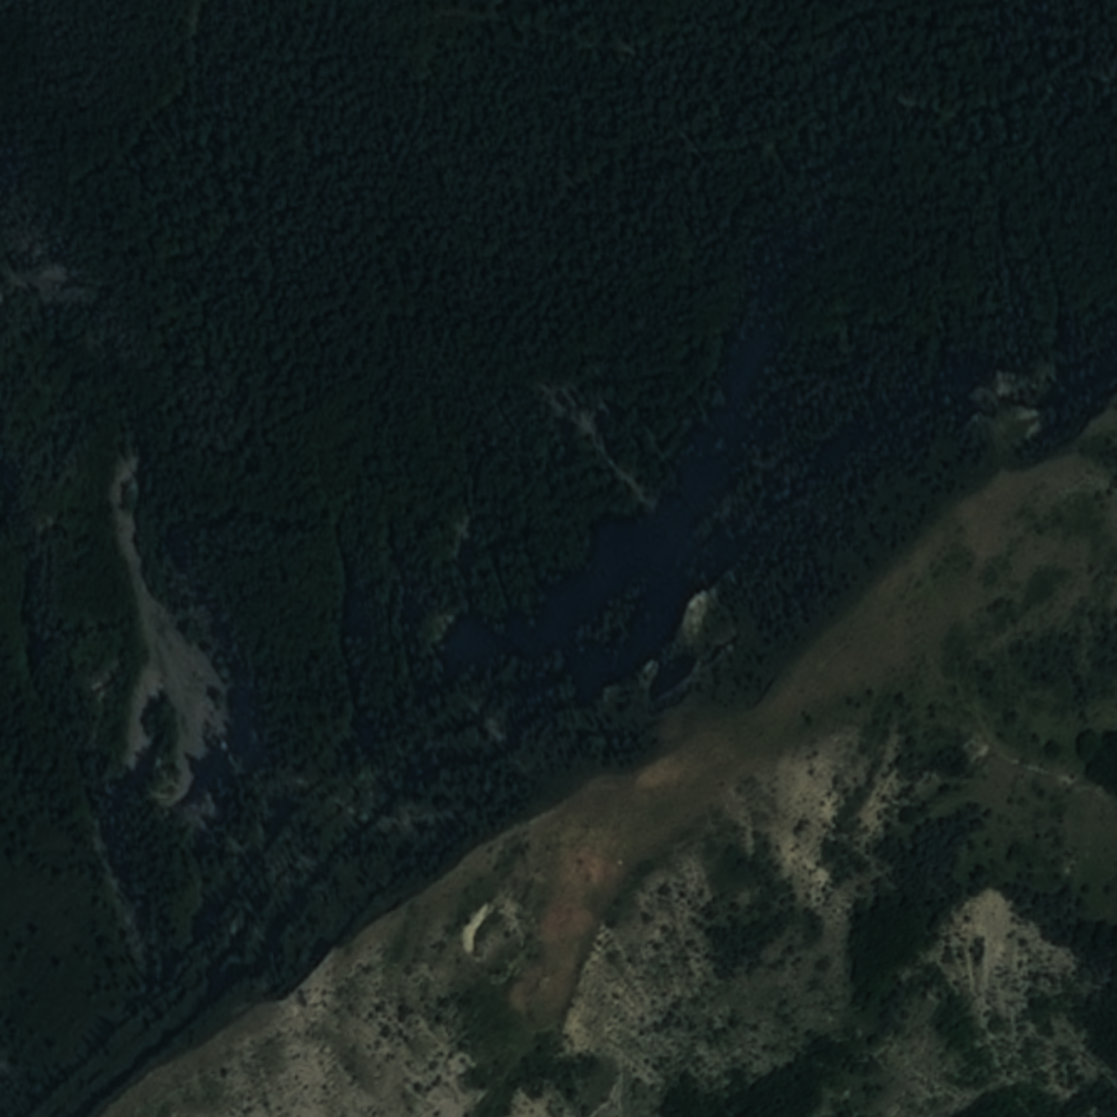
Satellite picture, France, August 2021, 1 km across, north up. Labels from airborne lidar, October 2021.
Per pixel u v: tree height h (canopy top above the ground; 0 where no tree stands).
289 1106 0
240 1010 0
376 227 24
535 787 6
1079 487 0
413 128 19
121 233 21
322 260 26
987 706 0
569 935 0
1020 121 20
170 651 0
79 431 17
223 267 17
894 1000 8
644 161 16
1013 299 12
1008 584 0
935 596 0
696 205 21
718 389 15
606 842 0
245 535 17
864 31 19
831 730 0
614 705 0
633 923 0
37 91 21
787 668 0
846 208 16
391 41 13
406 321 20
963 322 18
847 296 17
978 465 6
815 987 7
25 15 22
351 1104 0
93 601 20
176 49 21
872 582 0
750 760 0
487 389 15
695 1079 9
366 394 18
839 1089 14
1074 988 6
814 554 9
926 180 21
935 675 0
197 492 30
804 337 17
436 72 9
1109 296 13
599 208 18
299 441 23
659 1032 8
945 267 20
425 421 20
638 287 18
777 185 18
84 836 8
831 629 0
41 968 0
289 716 13
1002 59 23
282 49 13
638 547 16
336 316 21
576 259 19
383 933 0
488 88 14
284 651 17
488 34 8
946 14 25
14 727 15
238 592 18
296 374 19
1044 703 0
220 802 8
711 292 24
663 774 0
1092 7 19
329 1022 0
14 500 8
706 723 0
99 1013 0
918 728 0
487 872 0
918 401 11
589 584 6
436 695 11
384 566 11
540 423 11
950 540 0
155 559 12
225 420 33
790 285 13
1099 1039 12
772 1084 11
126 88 20
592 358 10
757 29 21
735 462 10
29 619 14
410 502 16
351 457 16
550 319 19
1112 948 13
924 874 14
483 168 17
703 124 12
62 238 11
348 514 14
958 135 19
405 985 0
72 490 16
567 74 16
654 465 23
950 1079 7
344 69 22
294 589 15
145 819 10
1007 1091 14
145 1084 0
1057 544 0
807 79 17
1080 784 0
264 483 33
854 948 13
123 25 18
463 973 0
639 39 21
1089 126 20
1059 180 16
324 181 19
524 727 11
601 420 7
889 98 21
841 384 12
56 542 15
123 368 13
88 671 17
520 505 24
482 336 13
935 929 14
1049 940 10
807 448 11
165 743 9
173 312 22
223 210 21
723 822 0
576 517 24
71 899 0
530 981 0
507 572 20
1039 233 20
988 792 0
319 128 27
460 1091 0
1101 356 9
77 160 27
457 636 0
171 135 19
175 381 16
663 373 20
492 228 22
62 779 19
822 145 22
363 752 7
